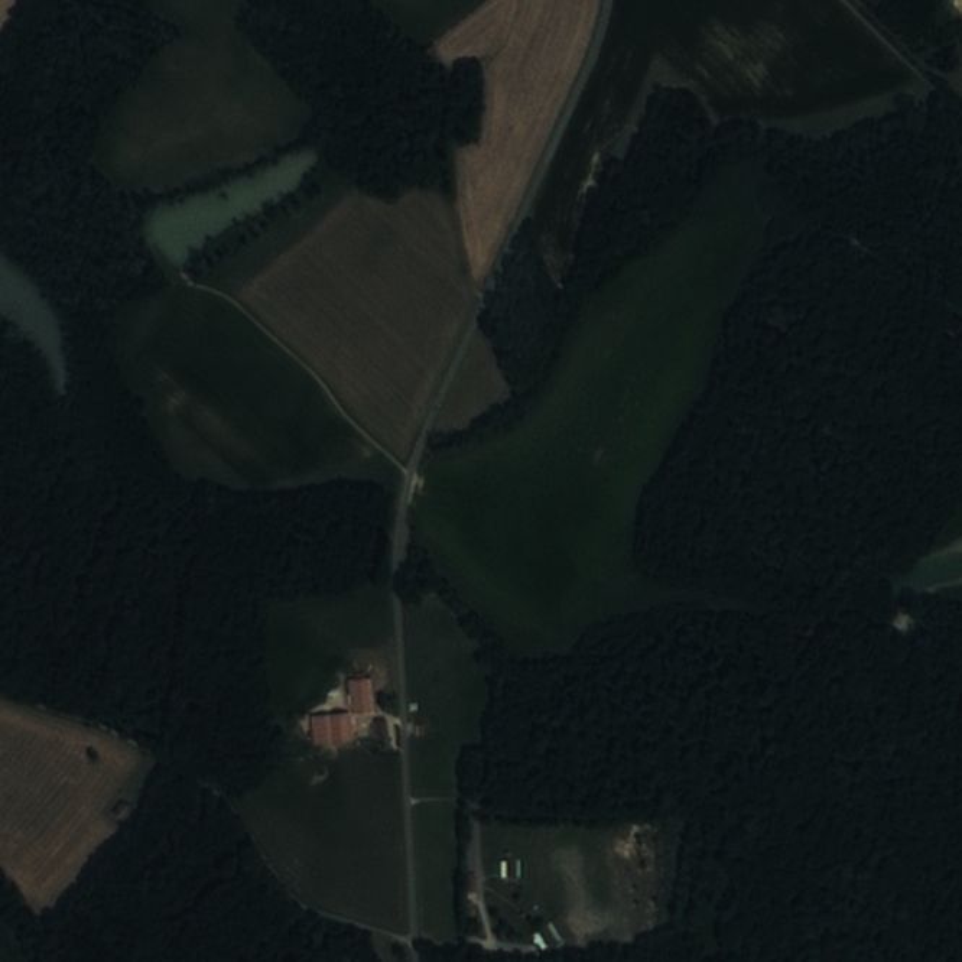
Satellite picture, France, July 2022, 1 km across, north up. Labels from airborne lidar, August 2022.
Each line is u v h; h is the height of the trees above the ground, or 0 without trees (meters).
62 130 17
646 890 0
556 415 0
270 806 0
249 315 0
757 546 18
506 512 0
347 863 0
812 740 22
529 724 9
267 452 0
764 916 20
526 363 28
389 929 0
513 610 0
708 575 23
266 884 22
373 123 22
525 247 22
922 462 24
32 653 22
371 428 0
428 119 17
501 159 0
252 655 20
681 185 26
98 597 19
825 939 24
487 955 17
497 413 16
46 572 29
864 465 24
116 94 14
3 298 0
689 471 22
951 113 21
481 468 0
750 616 7
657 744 17
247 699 22
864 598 22
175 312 0
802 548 22
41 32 23
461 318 0
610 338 0
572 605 0
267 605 23
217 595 24
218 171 0
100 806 0
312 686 0
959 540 0
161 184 0
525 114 0
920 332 22
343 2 25
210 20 0
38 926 21
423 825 0
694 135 21
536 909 0
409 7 0
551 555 0
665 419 0
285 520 22
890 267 20
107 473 21
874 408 25
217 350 0
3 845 0
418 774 0
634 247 19
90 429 14
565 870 0
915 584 0
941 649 28
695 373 0
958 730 20
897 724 23
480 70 16
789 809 23
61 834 0
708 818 11
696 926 16
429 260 0
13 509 22
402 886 0
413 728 0
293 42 28
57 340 0
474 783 18
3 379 23
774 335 21
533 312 27
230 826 20
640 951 13
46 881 0
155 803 21
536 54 0
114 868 23
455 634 0
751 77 0
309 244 0
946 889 21
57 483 26
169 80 0
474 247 0
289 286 0
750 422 23
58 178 32
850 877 9
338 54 25
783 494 20
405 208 0
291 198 6
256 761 23
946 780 18
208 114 0
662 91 17
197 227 0
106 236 6
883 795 19
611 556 0
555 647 0
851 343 22
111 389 18
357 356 0
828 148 16
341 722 0
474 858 0
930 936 20
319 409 0
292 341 0
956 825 21
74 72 25
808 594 15
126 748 0
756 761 21
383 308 0
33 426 23
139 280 17
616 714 23
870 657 24
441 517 0
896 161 22
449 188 7
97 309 18
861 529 21
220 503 21
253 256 0
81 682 17
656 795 6
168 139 0
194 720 19
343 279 0
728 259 0
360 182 21
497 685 23
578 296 19
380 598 0
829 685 19
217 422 0
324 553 21
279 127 0
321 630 0
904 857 23
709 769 19
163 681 12
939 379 24
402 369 0
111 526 22
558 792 22
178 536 20
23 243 16
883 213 16
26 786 0
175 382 0
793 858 20
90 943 23
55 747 0
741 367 21
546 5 0
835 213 17
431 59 12
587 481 0
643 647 12
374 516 20
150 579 26
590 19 0
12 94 22
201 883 12
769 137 16
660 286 0
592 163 0
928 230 19
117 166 0
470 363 0
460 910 15
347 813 0
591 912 0
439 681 0
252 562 23
